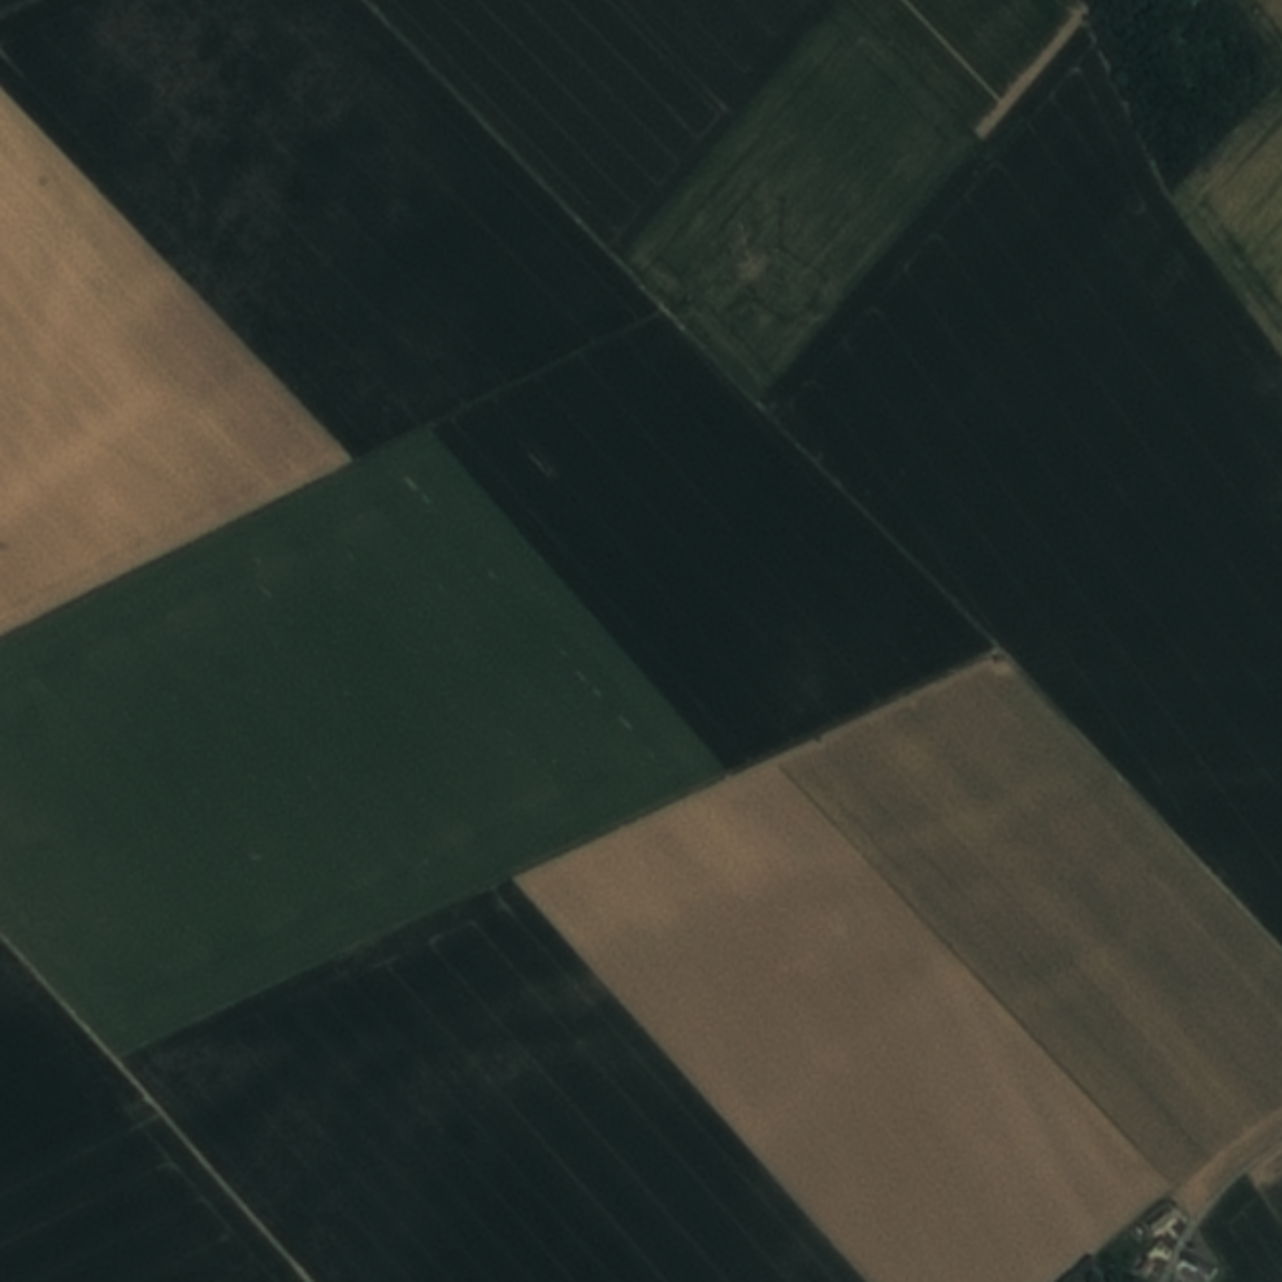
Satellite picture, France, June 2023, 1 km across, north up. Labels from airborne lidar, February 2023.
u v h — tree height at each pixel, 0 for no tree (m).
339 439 0
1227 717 0
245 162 0
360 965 0
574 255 0
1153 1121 0
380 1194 0
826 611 0
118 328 0
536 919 0
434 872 0
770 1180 0
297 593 0
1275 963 0
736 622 0
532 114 0
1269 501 0
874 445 0
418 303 0
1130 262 0
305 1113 0
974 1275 0
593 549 0
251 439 0
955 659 0
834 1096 0
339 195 0
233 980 0
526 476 0
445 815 0
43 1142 0
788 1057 0
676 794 0
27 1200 0
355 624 0
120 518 0
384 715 0
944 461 0
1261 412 0
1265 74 10
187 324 0
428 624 0
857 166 0
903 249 0
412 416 0
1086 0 0
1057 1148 0
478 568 0
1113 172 0
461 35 0
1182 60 16
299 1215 0
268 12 0
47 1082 0
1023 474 0
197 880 0
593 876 0
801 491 0
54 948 0
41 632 0
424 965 0
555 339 0
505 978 0
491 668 0
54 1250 0
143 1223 0
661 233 0
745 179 0
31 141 0
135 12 0
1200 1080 0
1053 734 0
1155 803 0
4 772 0
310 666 0
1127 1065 0
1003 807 0
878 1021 0
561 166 0
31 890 0
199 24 0
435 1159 0
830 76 0
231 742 0
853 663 0
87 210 0
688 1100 0
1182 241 0
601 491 0
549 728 0
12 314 0
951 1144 0
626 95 0
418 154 0
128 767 0
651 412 0
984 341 0
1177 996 0
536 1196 0
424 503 0
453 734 0
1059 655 0
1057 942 0
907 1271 0
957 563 0
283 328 0
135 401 0
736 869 0
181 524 0
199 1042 0
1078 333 0
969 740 0
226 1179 0
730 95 0
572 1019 0
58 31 0
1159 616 0
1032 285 0
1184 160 12
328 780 0
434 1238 0
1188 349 0
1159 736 0
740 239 0
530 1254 0
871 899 0
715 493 0
